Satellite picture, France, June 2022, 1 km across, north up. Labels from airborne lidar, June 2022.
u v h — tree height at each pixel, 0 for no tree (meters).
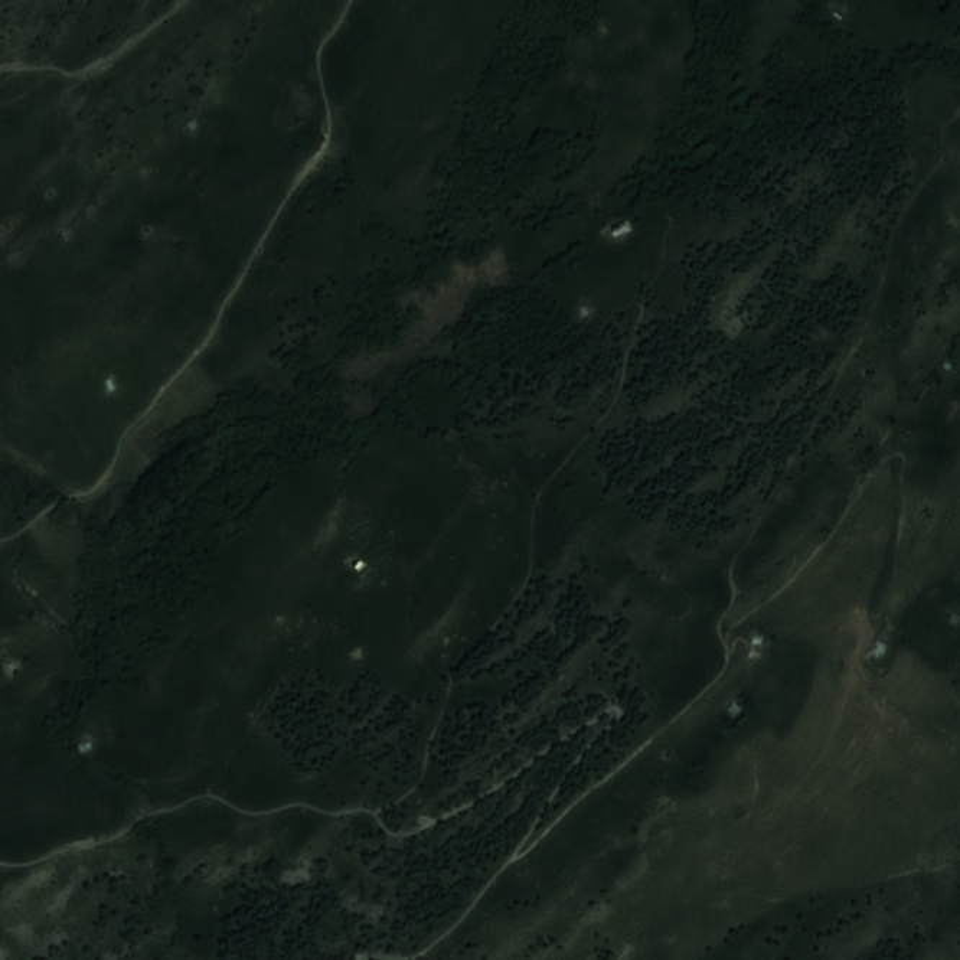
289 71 0
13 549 0
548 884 0
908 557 0
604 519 0
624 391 8
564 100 0
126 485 0
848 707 0
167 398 0
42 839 0
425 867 14
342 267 0
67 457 0
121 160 0
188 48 7
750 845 0
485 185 8
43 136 0
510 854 7
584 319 7
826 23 12
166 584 12
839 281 13
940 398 0
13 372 0
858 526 0
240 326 0
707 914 0
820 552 0
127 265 0
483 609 0
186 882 9
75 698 6
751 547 0
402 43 0
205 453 11
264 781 0
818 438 10
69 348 0
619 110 0
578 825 0
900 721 0
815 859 0
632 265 0
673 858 0
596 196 0
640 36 0
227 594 0
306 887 9
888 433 0
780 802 0
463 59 0
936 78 0
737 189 13
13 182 0
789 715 0
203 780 0
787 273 11
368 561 0
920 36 0
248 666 0
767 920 0
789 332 12
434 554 0
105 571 0
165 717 0
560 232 0
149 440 0
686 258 9
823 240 8
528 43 7
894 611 0
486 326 13
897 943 8
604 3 10
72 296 0
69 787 0
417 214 0
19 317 0
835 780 0
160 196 0
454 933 0
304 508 0
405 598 0
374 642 0
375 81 0
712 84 12
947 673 0
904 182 7
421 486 0
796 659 0
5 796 0
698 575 0
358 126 0
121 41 0
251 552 0
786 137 6
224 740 0
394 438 0
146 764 0
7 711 0
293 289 0
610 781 0
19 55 0
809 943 0
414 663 0
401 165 0
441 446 0
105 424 0
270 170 0
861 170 15
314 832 0
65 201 0
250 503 7
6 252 0
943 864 0
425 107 0
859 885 0
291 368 6
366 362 0
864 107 10
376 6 0
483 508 0
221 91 0
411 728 6
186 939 0
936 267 0
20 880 0
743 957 0
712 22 10
